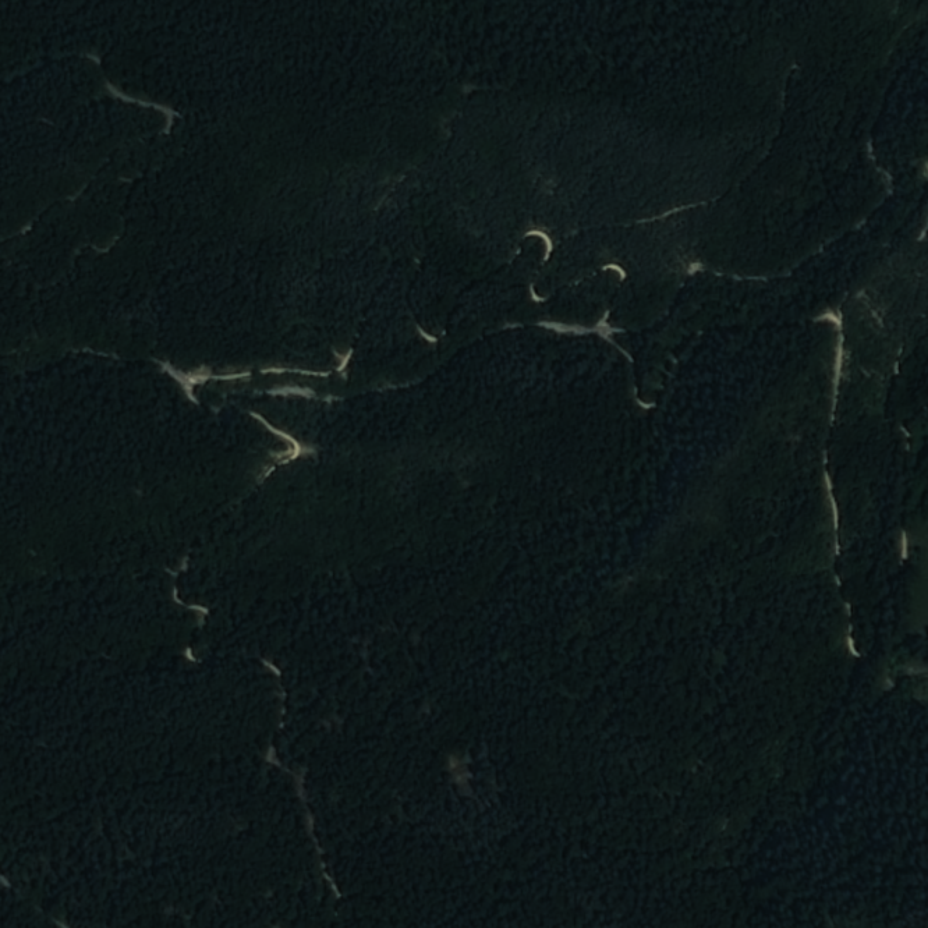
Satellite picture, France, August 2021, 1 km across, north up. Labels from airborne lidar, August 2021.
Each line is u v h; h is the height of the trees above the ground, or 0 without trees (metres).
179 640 18
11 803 27
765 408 10
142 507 14
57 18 23
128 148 15
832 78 24
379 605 19
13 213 19
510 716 30
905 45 18
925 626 0
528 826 33
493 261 14
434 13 14
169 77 19
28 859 25
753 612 19
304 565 15
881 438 22
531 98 11
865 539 15
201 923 19
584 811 24
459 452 12
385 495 17
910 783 23
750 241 16
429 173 12
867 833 18
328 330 10
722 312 16
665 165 13
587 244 14
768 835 18
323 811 18
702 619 32
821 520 7
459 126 12
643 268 11
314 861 25
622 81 18
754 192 22
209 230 26
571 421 26
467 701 21
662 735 16
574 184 10
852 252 19
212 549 21
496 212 17
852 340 16
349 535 16
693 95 25
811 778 10
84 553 27
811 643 33
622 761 25
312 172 15
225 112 18
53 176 19
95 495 16
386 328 23
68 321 21
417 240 30
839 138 26
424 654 22
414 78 14
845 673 16
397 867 29
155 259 22
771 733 24
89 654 18
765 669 33
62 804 27
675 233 8
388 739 14
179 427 20
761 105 15
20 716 24
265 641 22
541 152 10
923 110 21
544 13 14
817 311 17
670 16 29
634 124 14
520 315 21
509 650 17
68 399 31
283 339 7
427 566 17
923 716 23
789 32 15
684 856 27
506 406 25
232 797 27
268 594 27
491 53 19
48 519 17
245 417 23
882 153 17
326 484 22
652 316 11
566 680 18
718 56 18
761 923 21
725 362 22
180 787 28
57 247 23
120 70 25
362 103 10
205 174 19
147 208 20
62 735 27
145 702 27
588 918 31
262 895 25
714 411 25
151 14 20
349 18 18
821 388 13
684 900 18
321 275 17
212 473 19
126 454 26
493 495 23
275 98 20
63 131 23
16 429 23
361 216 12
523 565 27
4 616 18
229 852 23
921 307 13
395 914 13
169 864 8
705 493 16
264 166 18
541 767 17
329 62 26
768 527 16
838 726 33
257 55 24
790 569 9
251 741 23
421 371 24
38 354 14
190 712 18
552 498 16
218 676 20
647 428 16
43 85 22
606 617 11
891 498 24
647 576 11
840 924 10
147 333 24
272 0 22
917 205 18
